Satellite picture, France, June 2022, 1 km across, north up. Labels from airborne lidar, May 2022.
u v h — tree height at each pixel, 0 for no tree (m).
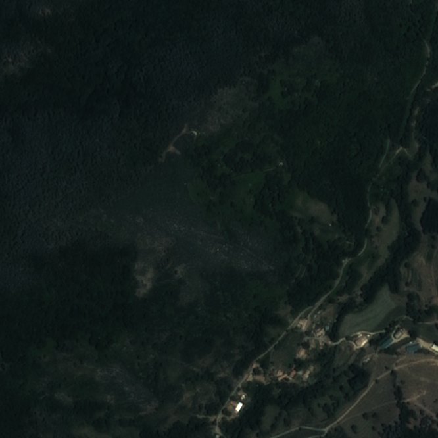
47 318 21
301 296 20
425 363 0
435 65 19
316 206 0
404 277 0
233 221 0
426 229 13
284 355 0
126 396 0
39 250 13
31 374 13
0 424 27
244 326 8
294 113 12
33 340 19
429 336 0
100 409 15
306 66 0
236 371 16
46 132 15
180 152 0
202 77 18
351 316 0
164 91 12
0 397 23
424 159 17
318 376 11
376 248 7
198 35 18
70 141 16
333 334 10
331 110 14
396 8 22
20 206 13
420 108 17
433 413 0
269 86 15
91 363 0
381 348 8
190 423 15
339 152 22
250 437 0
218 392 9
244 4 17
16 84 15
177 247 0
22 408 19
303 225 13
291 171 8
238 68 14
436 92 14
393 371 12
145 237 0
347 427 0
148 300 9
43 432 8
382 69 12
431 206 17
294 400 12
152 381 9
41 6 12
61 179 16
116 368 0
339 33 16
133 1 20
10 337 15
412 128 20
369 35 18
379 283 13
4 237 7
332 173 15
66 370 0
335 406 9
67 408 12
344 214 21
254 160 9
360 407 0
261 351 15
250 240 0
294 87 11
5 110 16
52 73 17
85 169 7
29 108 19
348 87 20
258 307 13
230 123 0
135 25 25
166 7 19
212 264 0
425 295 0
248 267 0
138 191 0
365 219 12
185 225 0
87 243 12
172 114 6
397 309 0
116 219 0
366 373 16
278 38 12
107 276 8
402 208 21
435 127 16
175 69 16
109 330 8
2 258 14
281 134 10
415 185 0
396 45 22
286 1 18
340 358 0
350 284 17
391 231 0
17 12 17
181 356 0
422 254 0
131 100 19
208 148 11
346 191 25
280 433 0
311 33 11
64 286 14
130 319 14
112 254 20
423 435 9
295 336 0
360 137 19
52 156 8
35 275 17
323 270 20
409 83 15
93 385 0
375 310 0
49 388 11
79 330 16
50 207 6
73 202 10
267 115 8
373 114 20
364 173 17
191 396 0
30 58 13
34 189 15
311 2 16
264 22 16
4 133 14
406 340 0
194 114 0
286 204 0
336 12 11
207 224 0
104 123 14
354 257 14
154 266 0
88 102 30
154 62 16
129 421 9
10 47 16
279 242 7
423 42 14
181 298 0
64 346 13
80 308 18
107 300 9
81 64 26
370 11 22
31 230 16
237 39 18
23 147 9
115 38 20
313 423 0
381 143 21
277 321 12
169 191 0
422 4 18
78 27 19
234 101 0
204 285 0
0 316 23
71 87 19
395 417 0
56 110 22
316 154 15
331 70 8
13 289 12
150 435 23
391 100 16
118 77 26
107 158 6
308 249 18
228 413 11
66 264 12
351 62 14
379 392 0
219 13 19
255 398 11
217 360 10
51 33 23
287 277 7
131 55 22
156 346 14
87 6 19
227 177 14
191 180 0
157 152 7
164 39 22
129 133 8
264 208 20
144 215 0
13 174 14
